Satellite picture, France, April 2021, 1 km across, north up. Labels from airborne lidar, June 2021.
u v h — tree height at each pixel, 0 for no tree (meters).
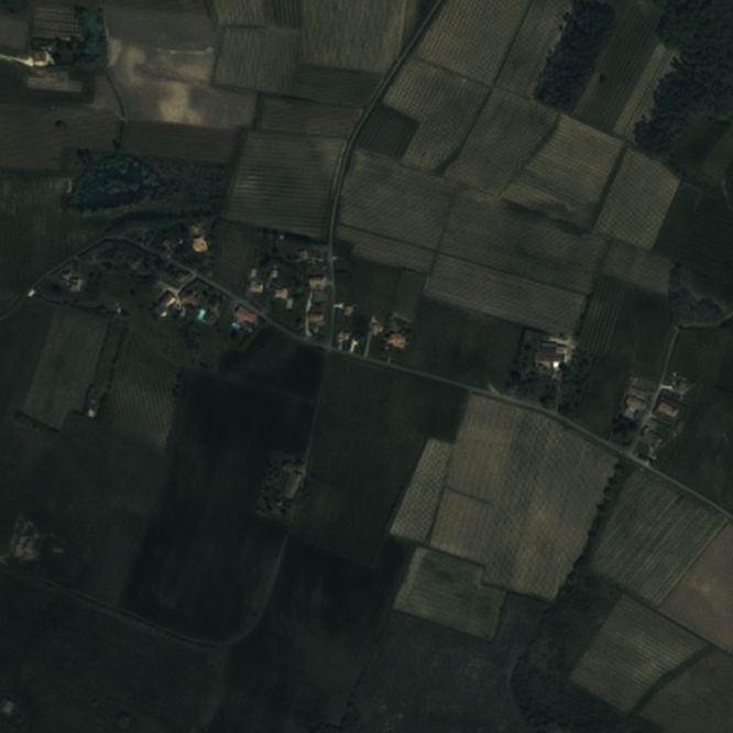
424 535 0
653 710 0
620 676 0
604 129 0
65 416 0
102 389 0
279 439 0
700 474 0
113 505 0
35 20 0
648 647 0
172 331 0
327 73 0
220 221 10
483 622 0
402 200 0
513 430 0
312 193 0
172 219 13
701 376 0
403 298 0
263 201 0
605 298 0
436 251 0
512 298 0
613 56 0
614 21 21
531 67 0
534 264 0
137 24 0
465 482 0
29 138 0
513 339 0
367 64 0
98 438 0
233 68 0
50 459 0
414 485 0
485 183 0
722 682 0
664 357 0
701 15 20
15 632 0
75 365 0
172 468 0
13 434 0
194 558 0
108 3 0
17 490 0
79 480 0
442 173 0
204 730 0
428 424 0
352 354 0
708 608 0
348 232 0
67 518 0
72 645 0
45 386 0
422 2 0
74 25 0
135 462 0
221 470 0
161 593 0
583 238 0
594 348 0
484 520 0
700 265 0
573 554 0
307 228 0
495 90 0
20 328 0
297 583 0
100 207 14
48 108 0
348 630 0
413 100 0
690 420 0
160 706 0
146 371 0
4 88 0
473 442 0
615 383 0
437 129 0
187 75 0
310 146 0
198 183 13
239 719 0
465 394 0
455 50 0
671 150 21
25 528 0
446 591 0
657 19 0
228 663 0
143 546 0
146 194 8
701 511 0
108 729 0
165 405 0
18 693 0
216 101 0
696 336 0
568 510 0
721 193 0
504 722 0
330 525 0
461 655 0
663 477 0
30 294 0
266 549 0
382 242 0
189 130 0
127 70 0
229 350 0
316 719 0
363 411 0
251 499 0
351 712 7
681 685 0
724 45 19
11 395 0
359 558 0
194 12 0
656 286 0
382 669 0
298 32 0
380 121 0
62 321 0
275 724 0
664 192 0
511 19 0
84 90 0
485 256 0
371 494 0
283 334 0
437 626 0
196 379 0
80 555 0
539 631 0
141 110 0
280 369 0
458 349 0
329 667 0
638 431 17
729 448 0
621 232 0
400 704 0
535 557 0
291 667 0
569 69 21
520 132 0
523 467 0
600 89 0
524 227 0
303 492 10
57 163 0
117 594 0
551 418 0
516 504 0
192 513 0
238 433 0
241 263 0
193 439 0
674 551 0
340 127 0
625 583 0
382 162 0
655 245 0
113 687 0
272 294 6
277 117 0
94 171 7
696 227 0
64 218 0
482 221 0
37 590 0
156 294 0
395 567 0
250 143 0
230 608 0
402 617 0
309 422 0
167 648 0
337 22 0
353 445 0
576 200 0
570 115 12
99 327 0
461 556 0
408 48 0
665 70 0
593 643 0
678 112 21
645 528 0
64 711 0
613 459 0
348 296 0
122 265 12
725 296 0
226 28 0
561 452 0
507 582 0
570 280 0
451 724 0
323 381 0
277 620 0
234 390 0
